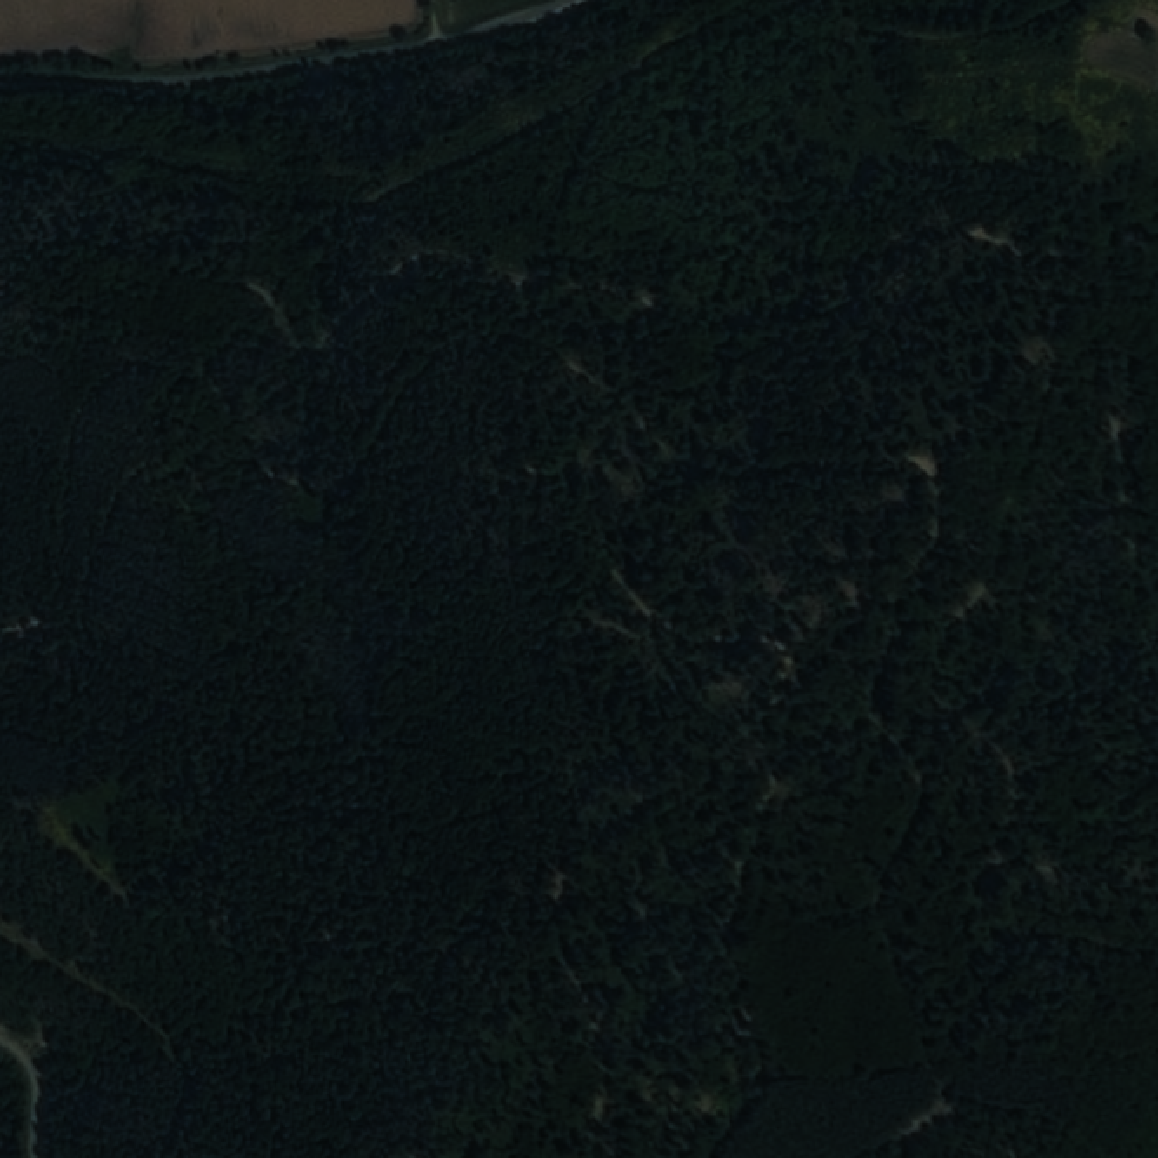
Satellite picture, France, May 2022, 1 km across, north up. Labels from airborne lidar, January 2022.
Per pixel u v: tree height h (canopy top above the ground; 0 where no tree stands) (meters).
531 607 19
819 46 20
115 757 20
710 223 17
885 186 17
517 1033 0
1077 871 32
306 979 27
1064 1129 11
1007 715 33
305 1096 20
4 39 0
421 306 17
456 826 25
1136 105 0
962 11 16
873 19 5
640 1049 32
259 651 19
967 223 20
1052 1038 17
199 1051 23
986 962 42
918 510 19
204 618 20
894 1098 21
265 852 26
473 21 0
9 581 22
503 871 25
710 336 22
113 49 0
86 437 13
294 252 20
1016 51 0
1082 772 16
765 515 29
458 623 27
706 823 30
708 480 35
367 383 32
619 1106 6
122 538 17
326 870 27
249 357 28
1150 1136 16
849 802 31
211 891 23
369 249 25
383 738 26
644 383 12
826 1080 19
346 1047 19
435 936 28
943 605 25
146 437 14
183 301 20
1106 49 0
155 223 24
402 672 27
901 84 11
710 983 34
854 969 14
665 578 38
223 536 22
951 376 12
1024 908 17
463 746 25
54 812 0
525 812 24
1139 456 28
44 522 18
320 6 0
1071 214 16
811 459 13
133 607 24
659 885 35
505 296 20
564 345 23
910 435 11
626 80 10
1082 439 20
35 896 13
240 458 20
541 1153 9
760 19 12
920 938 16
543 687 21
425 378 14
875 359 23
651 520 11
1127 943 17
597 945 15
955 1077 21
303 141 12
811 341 25
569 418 17
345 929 22
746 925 15
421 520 20
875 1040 18
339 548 24
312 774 28
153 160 12
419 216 11
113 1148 29
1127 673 27
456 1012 26
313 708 21
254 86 7
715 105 24
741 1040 34
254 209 9
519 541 14
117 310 19
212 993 22
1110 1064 15
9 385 16
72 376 15
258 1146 21
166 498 15
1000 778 26
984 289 11
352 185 7
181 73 0
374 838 31
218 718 22
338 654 23
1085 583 27
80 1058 25
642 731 8
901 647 30
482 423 10
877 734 14
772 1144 21
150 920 18
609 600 27
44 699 24
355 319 29
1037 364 15
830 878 19
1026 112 0
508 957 27
